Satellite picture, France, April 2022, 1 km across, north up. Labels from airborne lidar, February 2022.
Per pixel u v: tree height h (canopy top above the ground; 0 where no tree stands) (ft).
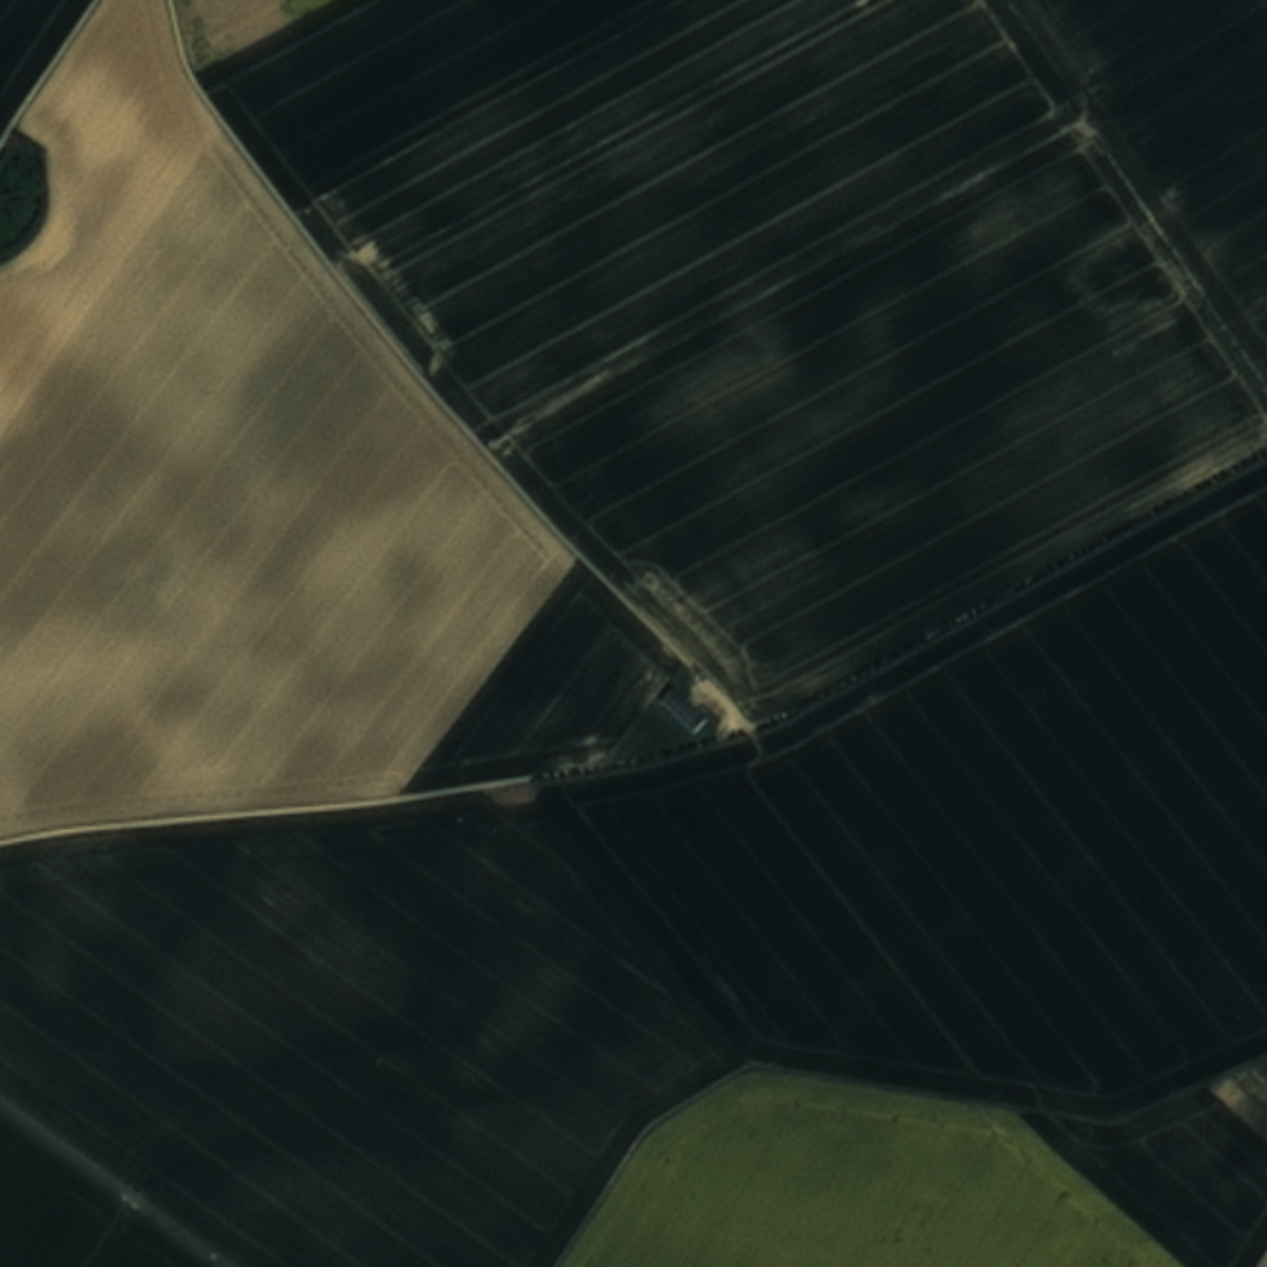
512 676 0
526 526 0
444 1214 0
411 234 0
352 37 0
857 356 0
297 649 0
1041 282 0
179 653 0
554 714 0
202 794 0
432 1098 0
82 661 0
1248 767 0
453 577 0
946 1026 0
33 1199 0
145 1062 0
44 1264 0
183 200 0
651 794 0
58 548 0
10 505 0
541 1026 0
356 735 0
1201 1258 0
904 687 0
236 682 0
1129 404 0
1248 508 0
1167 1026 0
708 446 0
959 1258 0
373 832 0
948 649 0
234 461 0
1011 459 0
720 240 0
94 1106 0
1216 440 0
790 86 0
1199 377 0
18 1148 0
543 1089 0
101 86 0
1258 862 0
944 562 0
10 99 0
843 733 0
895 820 0
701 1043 0
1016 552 0
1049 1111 0
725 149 0
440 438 0
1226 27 0
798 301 0
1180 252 0
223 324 0
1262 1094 0
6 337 0
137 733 0
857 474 0
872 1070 0
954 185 0
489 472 0
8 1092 0
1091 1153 0
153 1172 0
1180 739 0
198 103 0
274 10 0
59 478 0
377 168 0
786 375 0
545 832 0
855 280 0
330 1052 0
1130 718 0
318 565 0
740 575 0
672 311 0
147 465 0
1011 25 0
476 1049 0
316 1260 0
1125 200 0
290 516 0
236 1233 0
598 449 0
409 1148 0
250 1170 0
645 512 0
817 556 0
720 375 0
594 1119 0
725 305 0
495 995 0
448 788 0
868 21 0
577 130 0
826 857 0
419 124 0
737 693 0
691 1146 0
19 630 0
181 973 0
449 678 0
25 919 0
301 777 0
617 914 0
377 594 0
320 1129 0
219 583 0
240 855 0
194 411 0
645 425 0
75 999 0
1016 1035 0
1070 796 0
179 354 0
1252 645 0
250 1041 0
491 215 0
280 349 0
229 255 0
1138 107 0
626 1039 0
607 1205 0
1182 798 0
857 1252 0
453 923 0
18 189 55
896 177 0
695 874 0
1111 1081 0
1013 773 0
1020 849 0
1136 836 0
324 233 0
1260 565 0
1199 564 0
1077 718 0
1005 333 0
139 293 0
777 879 0
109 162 0
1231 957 0
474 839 0
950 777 0
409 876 0
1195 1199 0
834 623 0
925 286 0
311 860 0
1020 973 0
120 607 0
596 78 0
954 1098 0
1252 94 0
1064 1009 0
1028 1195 0
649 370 0
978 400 0
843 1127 0
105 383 0
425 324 0
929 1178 0
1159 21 0
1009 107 0
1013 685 0
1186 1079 0
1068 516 0
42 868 0
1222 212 0
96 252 0
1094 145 0
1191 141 0
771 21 0
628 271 0
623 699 0
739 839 0
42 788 0
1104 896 0
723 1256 0
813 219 0
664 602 0
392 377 0
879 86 0
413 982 0
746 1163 0
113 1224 0
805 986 0
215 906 0
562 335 0
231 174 0
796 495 0
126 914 0
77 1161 0
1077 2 0
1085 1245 0
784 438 0
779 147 0
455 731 0
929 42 0
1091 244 0
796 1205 0
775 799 0
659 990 0
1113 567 0
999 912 0
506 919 0
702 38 0
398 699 0
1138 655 0
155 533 0
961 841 0
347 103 0
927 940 0
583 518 0
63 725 0
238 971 0
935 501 0
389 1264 0
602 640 0
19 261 0
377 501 0
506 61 0
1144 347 0
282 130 0
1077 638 0
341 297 0
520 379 0
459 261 0
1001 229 0
